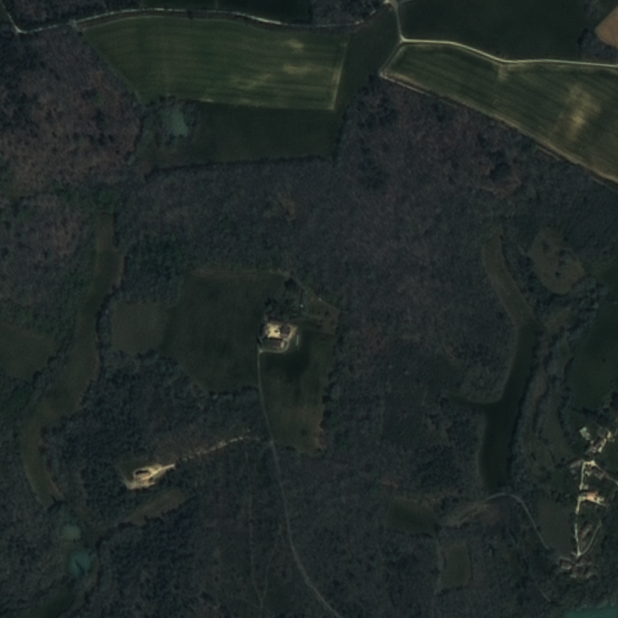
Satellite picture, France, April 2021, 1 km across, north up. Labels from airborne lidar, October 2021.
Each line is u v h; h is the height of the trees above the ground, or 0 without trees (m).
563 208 15
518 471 18
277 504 21
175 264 23
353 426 22
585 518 8
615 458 0
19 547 12
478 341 14
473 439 16
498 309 11
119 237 16
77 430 13
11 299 17
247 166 13
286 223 19
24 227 13
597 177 7
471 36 0
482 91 0
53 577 21
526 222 9
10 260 22
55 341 9
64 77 15
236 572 11
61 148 7
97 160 20
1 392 17
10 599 13
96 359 0
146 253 9
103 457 13
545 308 12
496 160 17
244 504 17
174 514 11
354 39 0
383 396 8
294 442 0
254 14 0
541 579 8
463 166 9
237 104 0
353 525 17
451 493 8
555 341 12
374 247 16
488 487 0
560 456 0
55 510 13
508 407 0
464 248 19
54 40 11
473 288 16
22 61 12
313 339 0
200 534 8
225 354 0
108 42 0
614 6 0
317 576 13
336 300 18
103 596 13
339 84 0
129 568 10
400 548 17
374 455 21
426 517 0
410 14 0
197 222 18
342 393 12
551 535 0
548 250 14
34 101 12
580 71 0
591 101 0
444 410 12
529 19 0
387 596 17
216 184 22
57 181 16
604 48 13
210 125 0
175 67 0
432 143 8
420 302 19
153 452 13
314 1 20
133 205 18
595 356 0
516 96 0
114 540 24
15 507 8
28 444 0
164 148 11
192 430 18
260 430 10
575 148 0
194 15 10
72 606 0
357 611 15
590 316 13
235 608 0
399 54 0
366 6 15
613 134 0
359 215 20
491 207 22
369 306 15
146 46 0
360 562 13
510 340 16
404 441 6
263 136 0
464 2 0
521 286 17
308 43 0
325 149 0
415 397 6
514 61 0
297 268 22
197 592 12
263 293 0
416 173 17
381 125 14
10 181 21
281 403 0
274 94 0
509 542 24
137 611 10
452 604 20
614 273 0
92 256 14
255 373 0
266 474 16
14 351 0
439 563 15
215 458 8
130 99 17
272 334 0
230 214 18
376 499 21
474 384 10
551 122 0
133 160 17
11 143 8
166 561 19
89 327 0
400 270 15
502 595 16
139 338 0
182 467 14
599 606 18
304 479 15
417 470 13
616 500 10
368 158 24
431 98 8
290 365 0
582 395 0
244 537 9
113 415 12
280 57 0
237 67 0
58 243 13
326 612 10
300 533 13
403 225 20
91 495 11
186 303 0
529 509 12
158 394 16
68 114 10
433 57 0
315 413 0
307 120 0
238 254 23
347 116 13
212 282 0
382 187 27
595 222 14
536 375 11
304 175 19
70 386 0
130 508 8
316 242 16
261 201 17
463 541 14
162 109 10
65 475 13
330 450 18
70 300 23
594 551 0
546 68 0
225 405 12
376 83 18
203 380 0
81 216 22
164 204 15
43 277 15
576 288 14
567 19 0
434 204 17
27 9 10
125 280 14
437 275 15
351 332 17
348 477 17
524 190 16
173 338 0
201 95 0
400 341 11
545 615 14
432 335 18
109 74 17
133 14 6
